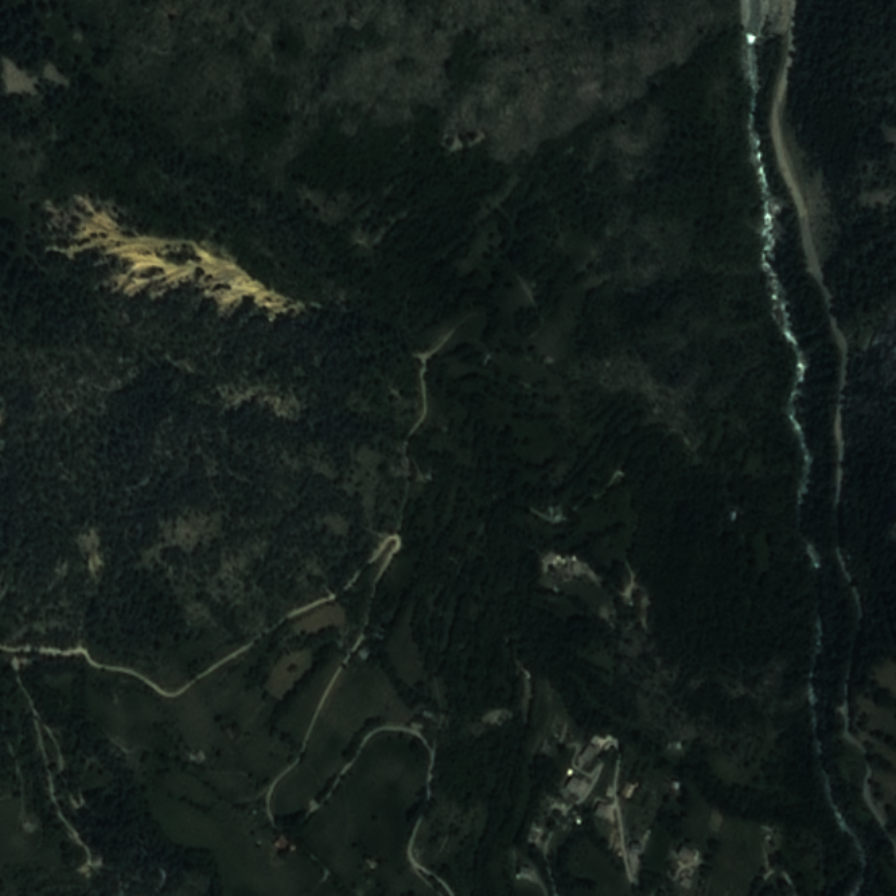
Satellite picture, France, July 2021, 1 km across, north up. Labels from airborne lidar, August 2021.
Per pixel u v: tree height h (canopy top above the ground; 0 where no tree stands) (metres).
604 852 10
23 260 8
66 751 10
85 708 8
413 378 6
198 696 0
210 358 9
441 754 13
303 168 8
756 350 5
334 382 14
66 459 10
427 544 9
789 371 15
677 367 11
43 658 15
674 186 9
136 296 8
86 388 8
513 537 16
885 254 11
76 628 7
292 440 7
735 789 10
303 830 9
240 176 7
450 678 8
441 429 9
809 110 11
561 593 8
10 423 10
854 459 11
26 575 8
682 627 14
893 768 11
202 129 6
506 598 8
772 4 0
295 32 7
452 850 0
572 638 19
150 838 9
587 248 0
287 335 9
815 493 21
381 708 0
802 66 10
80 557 9
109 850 21
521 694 8
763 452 6
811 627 19
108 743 8
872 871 13
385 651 11
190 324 10
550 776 15
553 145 9
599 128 8
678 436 7
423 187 15
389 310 7
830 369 18
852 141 8
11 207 0
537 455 0
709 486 26
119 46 7
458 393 12
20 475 7
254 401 7
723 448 9
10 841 0
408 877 0
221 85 0
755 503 9
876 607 14
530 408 10
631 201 13
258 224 7
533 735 8
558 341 0
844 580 13
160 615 8
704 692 13
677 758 0
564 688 20
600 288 10
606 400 8
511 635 11
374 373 6
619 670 9
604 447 11
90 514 9
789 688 12
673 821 10
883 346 0
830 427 13
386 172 7
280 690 0
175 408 11
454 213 11
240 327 8
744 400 8
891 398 16
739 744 6
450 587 10
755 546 13
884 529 7
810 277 13
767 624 11
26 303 20
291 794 0
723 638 17
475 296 10
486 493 16
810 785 26
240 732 10
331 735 0
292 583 7
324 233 9
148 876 9
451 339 0
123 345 15
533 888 0
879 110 6
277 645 12
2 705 8
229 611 9
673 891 12
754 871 0
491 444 17
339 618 0
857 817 9
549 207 11
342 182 7
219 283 0
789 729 8
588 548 14
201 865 13
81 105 13
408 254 12
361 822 0
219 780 0
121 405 17
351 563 10
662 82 7
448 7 0
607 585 11
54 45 22
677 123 19
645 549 16
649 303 21
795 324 19
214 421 11
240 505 8
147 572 16
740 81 10
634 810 0
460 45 6
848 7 13
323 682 0
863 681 16
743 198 6
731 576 21
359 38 6
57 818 12
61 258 10
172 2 0
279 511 10
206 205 14
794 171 0
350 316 8
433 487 9
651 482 18
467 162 15
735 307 8
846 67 7
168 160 16
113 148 8
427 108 8
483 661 9
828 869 7
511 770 9
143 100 8
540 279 11
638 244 7
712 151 12
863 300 12
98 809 26
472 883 8
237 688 0
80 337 10
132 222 13
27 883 8
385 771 0
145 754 9
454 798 6
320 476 11
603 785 0
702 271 10
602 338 8
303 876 0
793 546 17
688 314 8
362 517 9
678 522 20
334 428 11
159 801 0
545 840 8
